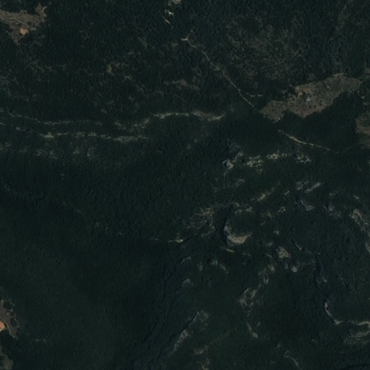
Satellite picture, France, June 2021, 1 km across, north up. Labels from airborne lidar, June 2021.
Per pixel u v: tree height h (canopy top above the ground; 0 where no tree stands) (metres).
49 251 10
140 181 11
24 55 7
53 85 9
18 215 14
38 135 32
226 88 6
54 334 7
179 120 8
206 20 9
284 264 24
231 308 10
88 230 10
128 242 19
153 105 6
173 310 9
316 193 14
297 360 7
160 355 8
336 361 16
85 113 14
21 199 16
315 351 11
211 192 6
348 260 14
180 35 12
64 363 9
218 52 9
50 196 8
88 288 17
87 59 8
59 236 17
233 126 21
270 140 9
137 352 11
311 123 11
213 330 8
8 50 12
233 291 13
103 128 8
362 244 8
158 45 9
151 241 19
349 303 8
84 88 9
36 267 10
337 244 6
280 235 12
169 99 8
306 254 9
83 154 7
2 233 15
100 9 11
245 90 7
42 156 14
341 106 9
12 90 6
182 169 13
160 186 13
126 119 11
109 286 12
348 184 9
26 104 8
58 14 8
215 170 8
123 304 19
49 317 9
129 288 13
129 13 11
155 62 10
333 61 15
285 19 10
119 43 12
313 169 13
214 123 8
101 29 13
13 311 6
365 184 7
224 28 8
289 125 6
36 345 9
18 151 12
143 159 18
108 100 7
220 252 21
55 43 7
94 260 13
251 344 15
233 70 6
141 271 9
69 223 16
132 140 7
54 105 9
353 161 8
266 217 9
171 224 25
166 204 5
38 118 8
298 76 9
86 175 18
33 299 8
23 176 17
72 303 12
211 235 10
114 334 13
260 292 11
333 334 14
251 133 13
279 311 21
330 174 13
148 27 7
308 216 10
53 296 10
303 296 14
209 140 15
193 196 13
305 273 12
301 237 12
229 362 7
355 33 7
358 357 15
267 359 9
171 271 10
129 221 17
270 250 8
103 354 10
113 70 10
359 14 6
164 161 19
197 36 10
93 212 7
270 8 7
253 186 13
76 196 10
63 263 14
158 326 11
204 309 12
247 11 12
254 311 12
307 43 5
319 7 12
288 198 12
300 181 7
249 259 17
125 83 10
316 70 10
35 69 8
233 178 7
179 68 8
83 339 8
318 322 12
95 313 11
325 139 7
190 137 9
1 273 9
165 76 10
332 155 10
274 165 9
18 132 11
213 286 8
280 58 6
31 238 14
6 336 13
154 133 8
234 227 7
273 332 16
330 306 7
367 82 12
